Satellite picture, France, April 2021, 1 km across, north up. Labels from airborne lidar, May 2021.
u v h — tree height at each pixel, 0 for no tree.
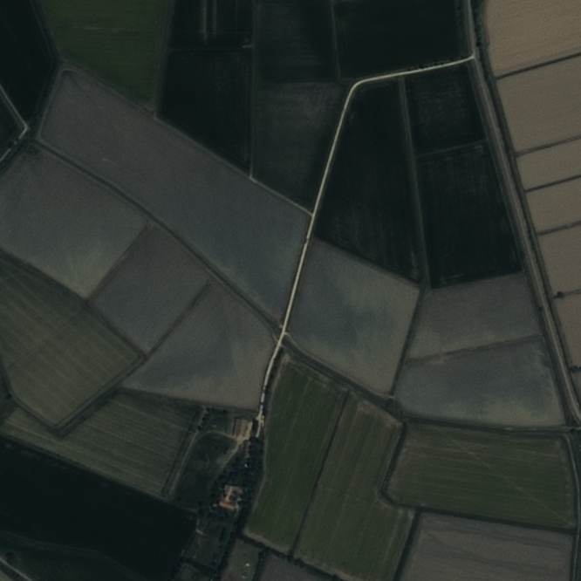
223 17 0
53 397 0
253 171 0
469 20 0
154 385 0
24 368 0
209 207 0
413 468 0
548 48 0
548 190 0
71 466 0
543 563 0
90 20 0
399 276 0
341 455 0
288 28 0
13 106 0
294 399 0
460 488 0
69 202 0
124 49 0
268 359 0
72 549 0
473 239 0
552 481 0
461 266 0
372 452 0
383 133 0
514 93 0
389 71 0
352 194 0
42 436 0
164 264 0
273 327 0
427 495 0
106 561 0
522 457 0
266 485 0
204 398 0
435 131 0
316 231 0
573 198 0
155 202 0
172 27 0
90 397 0
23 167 0
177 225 0
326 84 0
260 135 0
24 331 0
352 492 0
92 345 0
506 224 0
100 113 0
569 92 0
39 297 0
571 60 0
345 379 0
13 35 0
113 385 0
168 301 0
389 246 0
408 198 0
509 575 0
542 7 0
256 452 13
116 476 0
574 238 0
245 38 0
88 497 0
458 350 0
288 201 0
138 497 0
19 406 0
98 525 0
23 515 0
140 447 0
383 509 0
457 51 0
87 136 0
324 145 0
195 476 0
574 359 0
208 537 0
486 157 0
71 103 0
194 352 0
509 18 0
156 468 0
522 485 0
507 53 0
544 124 0
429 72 0
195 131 0
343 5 0
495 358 0
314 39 0
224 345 0
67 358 0
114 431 0
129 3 0
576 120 0
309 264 0
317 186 0
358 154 0
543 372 0
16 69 0
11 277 0
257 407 0
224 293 0
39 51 0
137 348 0
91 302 0
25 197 0
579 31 0
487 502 0
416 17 0
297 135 0
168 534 0
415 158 0
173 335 0
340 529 0
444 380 0
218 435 0
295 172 0
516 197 0
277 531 0
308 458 0
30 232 0
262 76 0
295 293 0
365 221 0
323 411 0
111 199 0
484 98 0
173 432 0
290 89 0
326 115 0
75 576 0
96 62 0
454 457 0
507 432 0
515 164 0
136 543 0
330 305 0
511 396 0
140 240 0
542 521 0
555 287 0
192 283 0
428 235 0
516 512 0
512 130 0
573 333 0
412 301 0
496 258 0
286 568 0
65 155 0
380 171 0
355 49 0
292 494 0
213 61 0
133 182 0
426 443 0
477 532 0
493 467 0
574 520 0
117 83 0
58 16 0
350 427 0
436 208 0
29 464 0
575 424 5
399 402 0
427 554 0
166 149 0
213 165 0
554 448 0
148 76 0
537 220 0
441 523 0
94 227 0
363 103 0
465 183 0
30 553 0
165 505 0
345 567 0
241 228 0
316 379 0
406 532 0
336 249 0
